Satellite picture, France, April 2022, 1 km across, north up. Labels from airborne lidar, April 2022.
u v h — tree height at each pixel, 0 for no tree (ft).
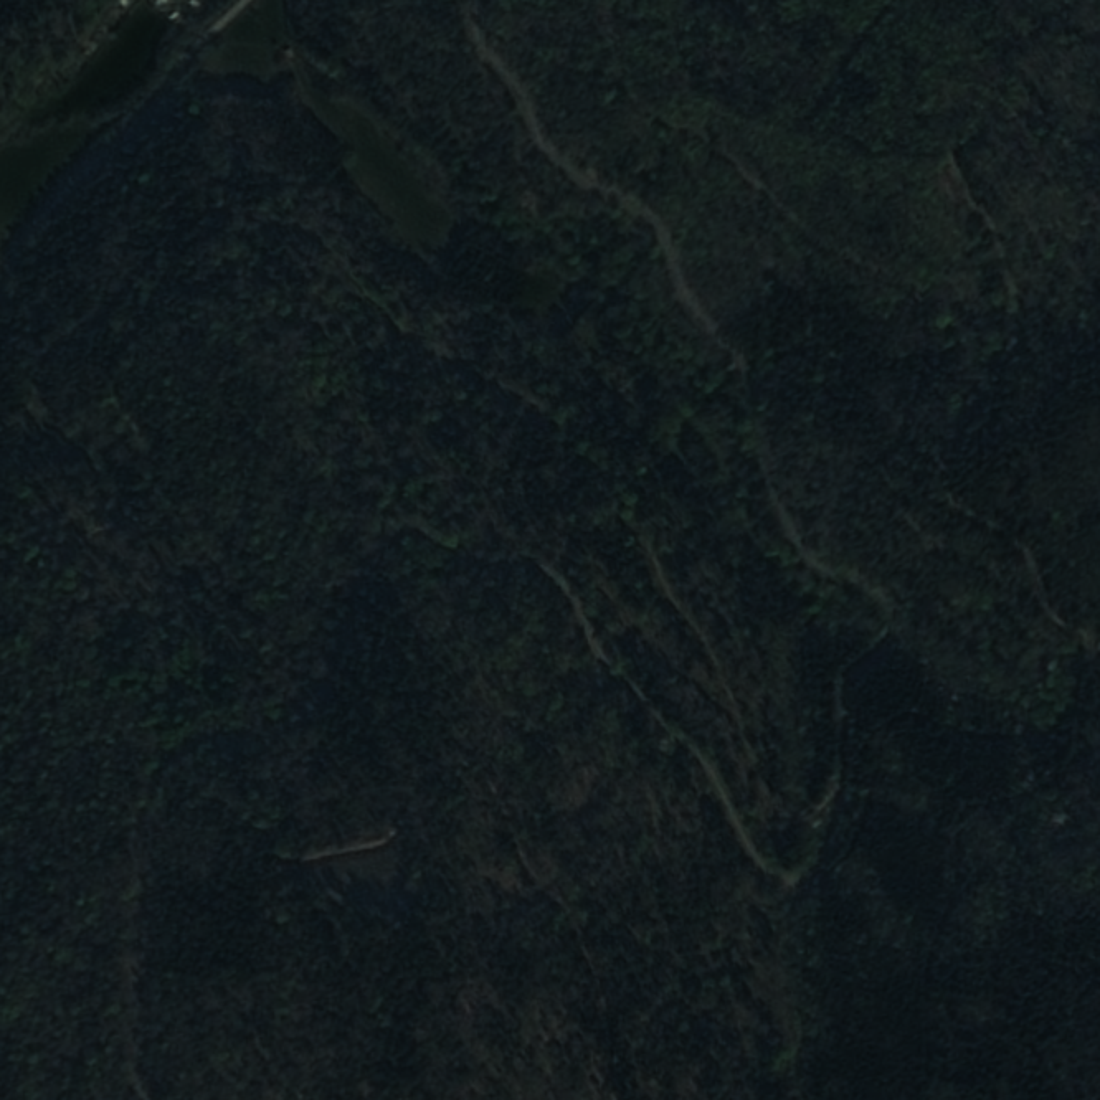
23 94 61
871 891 47
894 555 54
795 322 109
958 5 58
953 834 48
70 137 0
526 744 103
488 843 106
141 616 40
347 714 141
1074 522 72
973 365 71
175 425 68
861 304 110
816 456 74
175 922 78
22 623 55
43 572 76
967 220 63
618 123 56
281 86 32
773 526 108
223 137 73
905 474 52
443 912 87
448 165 98
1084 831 70
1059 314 87
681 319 68
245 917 83
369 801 111
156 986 80
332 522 87
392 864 0
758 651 119
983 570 87
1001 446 85
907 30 68
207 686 52
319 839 74
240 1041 71
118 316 84
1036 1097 60
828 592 48
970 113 36
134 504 88
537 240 41
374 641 98
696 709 121
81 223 97
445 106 67
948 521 33
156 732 68
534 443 100
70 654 82
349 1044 85
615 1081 106
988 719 59
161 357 68
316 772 29
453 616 107
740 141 55
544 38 57
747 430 68
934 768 36
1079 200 63
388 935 74
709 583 129
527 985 109
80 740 78
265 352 89
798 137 66
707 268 63
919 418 89
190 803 67
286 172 73
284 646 117
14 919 84
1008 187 40
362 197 44
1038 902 63
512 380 102
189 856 76
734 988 119
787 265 65
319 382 94
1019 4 71
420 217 0
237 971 83
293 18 56
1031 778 71
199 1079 82
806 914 70
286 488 83
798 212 60
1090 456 57
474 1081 99
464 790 83
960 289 80
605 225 81
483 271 61
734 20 98
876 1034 52
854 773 60
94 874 70
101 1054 67
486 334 120
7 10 53
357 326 59
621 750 121
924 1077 49
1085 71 94
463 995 102
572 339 83
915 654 55
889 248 53
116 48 0
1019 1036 49
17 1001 102
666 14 90
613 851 110
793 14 89
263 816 94
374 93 103
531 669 119
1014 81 58
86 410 87
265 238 101
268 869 79
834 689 65
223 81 0
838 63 65
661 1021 106
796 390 108
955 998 45
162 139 93
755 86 65
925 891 54
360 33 73
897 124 58
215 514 103
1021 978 50
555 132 55
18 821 73
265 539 92
